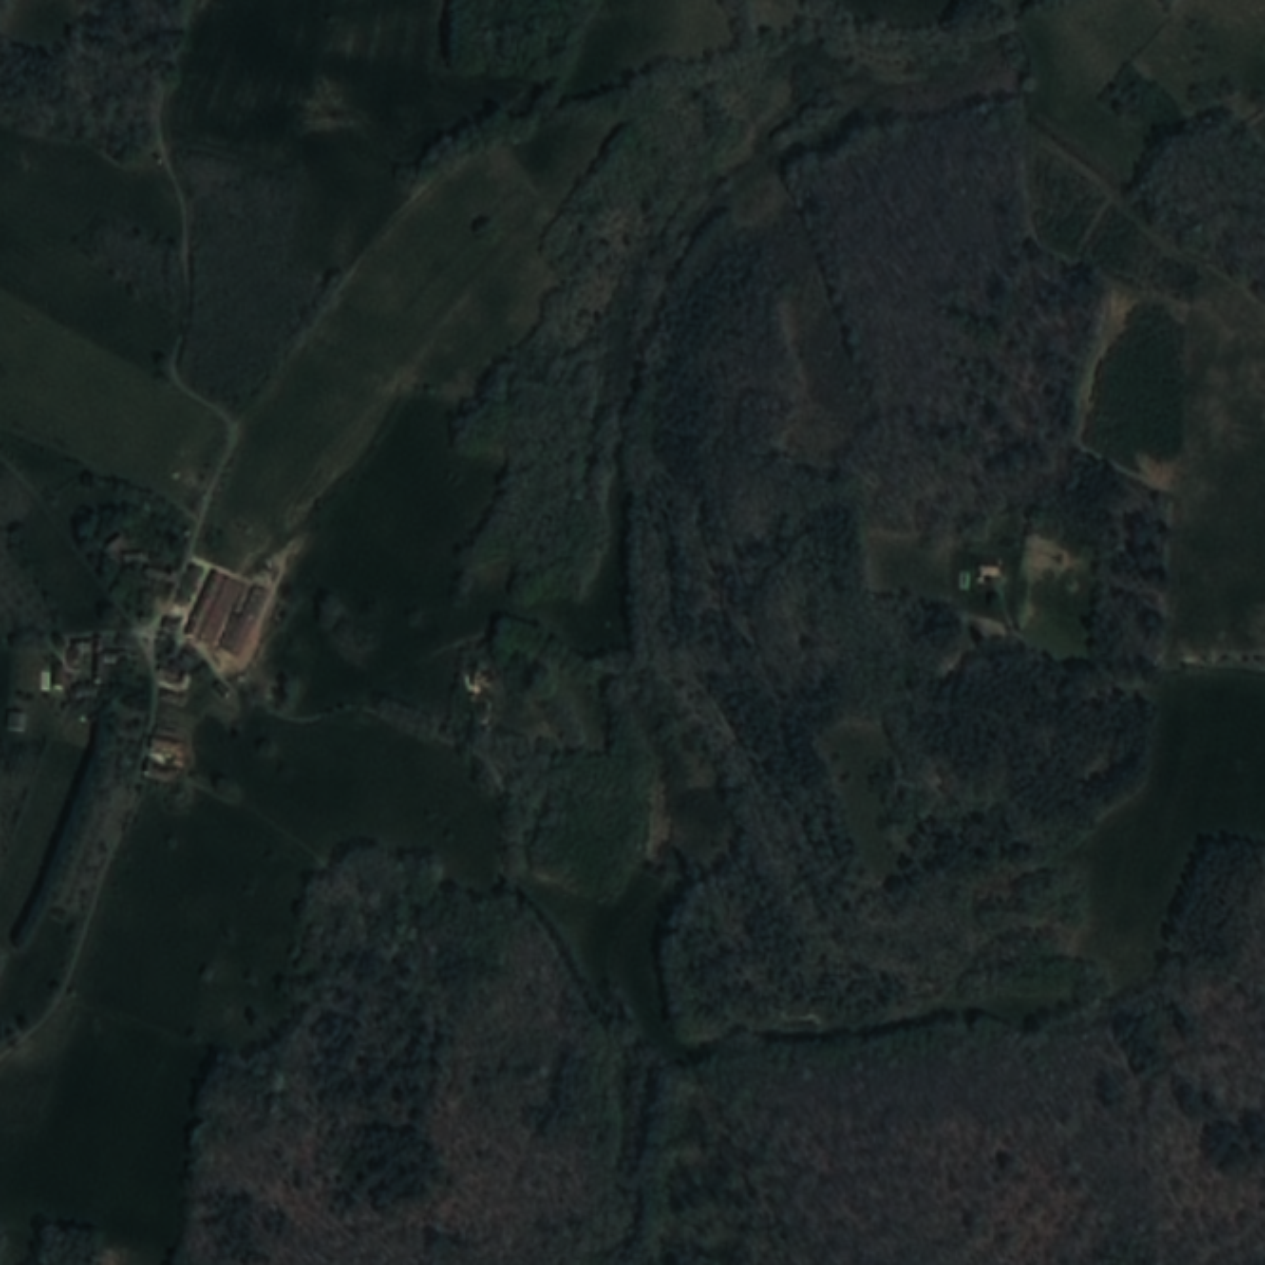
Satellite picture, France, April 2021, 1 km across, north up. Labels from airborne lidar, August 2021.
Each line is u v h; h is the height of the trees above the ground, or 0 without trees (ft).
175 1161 0
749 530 56
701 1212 92
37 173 0
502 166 0
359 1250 28
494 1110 41
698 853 0
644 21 0
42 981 0
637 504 38
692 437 50
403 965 54
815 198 45
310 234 0
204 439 0
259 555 0
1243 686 0
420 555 0
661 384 54
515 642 43
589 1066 79
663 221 52
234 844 0
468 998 64
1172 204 76
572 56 52
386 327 0
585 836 52
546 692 89
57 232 0
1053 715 77
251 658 0
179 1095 0
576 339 46
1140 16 0
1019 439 24
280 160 0
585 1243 54
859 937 49
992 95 0
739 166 0
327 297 56
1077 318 36
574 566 72
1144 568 86
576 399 84
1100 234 0
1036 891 58
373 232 0
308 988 37
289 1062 68
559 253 45
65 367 0
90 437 0
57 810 0
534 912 83
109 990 0
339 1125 41
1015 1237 21
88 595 0
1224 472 0
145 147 54
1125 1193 41
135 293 47
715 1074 58
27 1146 0
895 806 30
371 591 0
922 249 47
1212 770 0
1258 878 38
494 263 0
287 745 0
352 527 0
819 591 53
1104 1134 30
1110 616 39
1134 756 72
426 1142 23
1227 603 0
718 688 61
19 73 67
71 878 22
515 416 83
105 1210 0
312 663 0
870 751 0
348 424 0
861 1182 28
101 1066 0
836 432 0
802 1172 35
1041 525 57
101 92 42
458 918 84
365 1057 33
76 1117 0
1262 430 0
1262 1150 76
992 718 82
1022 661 62
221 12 0
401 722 61
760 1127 59
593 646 0
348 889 75
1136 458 0
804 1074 65
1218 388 0
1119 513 28
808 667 31
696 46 0
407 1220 24
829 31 47
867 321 47
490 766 47
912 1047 65
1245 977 40
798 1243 55
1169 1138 47
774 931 44
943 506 35
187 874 0
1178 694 0
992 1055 51
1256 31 0
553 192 0
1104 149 0
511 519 60
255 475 0
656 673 32
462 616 0
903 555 0
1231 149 74
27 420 0
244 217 32
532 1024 47
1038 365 44
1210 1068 43
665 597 56
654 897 0
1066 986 67
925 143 49
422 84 0
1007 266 47
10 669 0
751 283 44
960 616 40
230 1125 38
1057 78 0
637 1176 80
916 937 61
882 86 0
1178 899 0
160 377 27
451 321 0
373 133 0
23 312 0
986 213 51
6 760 21
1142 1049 61
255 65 0
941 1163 28
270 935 0
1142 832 0
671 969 75
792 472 55
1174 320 0
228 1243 26
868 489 53
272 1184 35
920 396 35
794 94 0
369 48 0
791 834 50
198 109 0
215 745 0
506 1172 42
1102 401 0
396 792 0
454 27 60
